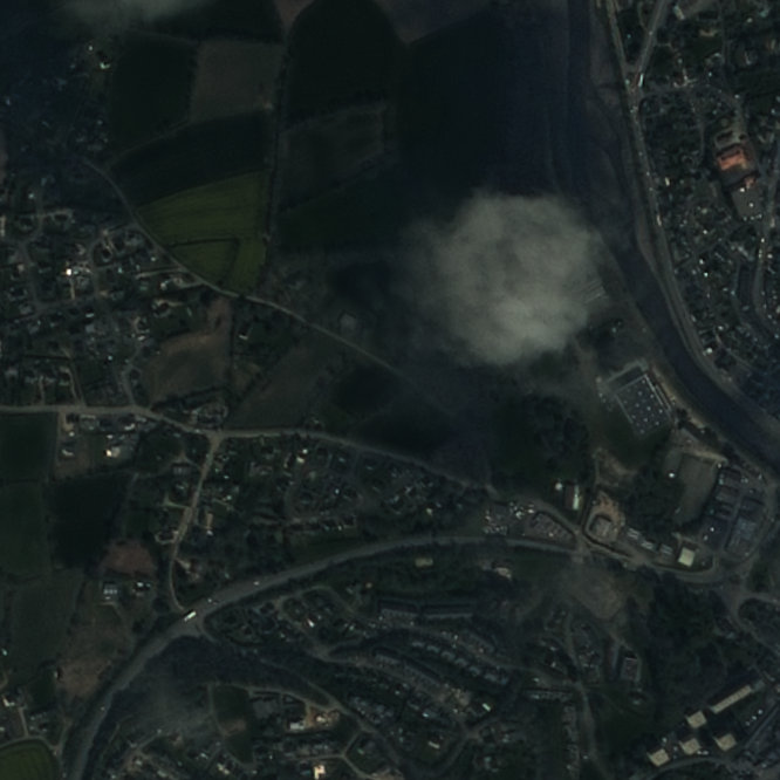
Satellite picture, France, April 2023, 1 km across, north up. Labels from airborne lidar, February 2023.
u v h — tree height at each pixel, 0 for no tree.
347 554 0
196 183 0
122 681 0
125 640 0
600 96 0
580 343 0
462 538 0
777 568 22
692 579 0
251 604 7
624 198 0
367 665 0
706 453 0
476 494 15
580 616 16
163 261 9
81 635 0
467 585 0
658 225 0
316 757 0
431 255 20
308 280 10
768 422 0
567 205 0
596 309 0
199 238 0
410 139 0
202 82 0
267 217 10
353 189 0
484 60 0
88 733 0
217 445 0
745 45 11
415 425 0
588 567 12
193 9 0
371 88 0
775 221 0
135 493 11
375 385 0
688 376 0
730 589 0
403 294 0
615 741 0
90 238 0
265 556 13
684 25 12
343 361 17
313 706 0
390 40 0
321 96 0
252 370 0
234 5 0
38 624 0
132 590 0
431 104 0
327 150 0
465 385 18
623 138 0
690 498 0
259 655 9
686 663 32
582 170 0
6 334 6
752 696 7
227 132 0
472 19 0
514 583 8
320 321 6
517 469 0
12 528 0
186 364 0
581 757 0
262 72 0
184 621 0
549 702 5
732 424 0
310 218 0
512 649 17
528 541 0
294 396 0
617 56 7
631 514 14
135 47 0
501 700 18
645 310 0
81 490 0
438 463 19
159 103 0
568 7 0
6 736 8
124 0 15
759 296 0
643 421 0
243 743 0
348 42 0
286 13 0
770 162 0
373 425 0
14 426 0
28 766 0
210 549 14
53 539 10
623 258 0
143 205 0
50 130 0
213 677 18
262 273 12
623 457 0
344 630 0
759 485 0
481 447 21
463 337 27
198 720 0
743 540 0
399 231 0
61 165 13
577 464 0
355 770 0
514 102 28
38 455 0
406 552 9
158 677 8
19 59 11
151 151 0
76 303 0
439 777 18
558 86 0
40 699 0
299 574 0
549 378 0
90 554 0
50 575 0
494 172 24
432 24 0
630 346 20
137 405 0
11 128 11
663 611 25
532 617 0
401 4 0
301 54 0
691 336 0
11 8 0
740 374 0
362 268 0
